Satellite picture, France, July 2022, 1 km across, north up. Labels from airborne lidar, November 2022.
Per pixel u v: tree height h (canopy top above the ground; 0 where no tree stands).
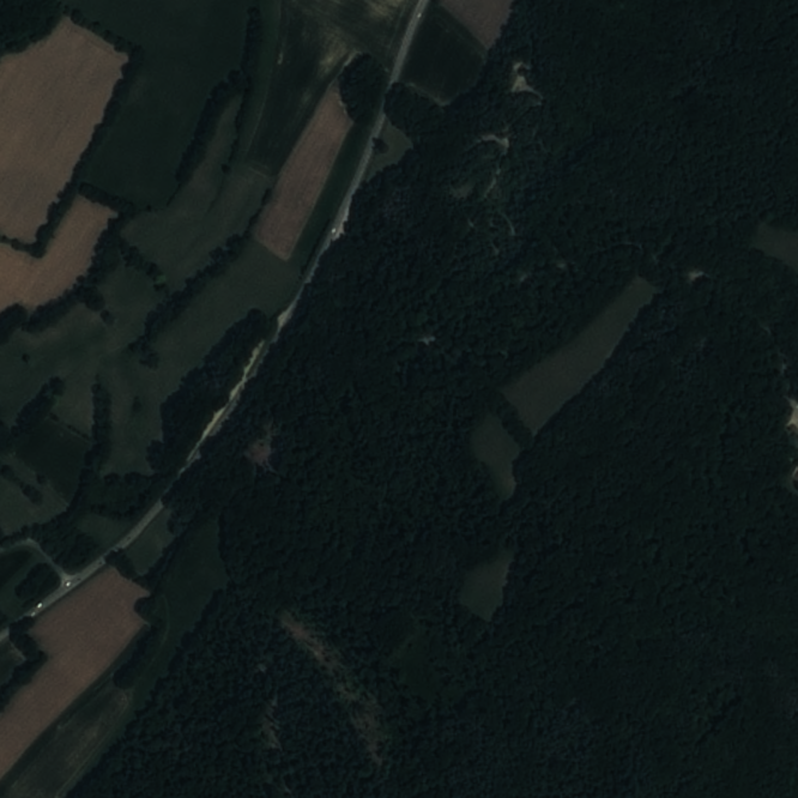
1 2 19
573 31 22
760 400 22
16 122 0
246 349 25
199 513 22
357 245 21
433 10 0
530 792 15
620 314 0
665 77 26
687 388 20
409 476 20
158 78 0
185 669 18
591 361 0
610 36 26
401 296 17
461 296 17
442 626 8
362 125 15
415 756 23
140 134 0
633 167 23
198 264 0
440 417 7
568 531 24
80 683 0
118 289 0
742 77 24
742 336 23
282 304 0
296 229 0
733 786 21
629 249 18
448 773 25
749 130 19
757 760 21
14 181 0
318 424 23
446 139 27
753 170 19
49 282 0
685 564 20
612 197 23
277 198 0
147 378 0
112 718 0
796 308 23
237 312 0
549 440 19
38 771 0
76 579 0
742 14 27
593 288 20
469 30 0
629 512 23
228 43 0
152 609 18
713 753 23
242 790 7
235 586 8
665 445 20
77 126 0
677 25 24
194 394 23
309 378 26
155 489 19
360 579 25
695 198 20
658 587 20
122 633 0
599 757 15
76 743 0
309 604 26
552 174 14
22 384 0
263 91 0
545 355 19
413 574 19
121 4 0
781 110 21
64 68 0
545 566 25
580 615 24
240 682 11
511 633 20
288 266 0
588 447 25
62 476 0
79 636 0
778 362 19
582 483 27
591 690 25
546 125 14
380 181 16
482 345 19
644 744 20
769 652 22
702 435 19
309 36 0
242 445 30
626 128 17
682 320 25
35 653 19
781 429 18
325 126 0
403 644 27
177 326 0
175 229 0
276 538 23
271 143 0
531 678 26
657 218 22
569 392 0
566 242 25
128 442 0
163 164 0
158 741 19
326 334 23
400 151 0
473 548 24
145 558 0
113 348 0
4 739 0
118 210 17
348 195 0
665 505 23
